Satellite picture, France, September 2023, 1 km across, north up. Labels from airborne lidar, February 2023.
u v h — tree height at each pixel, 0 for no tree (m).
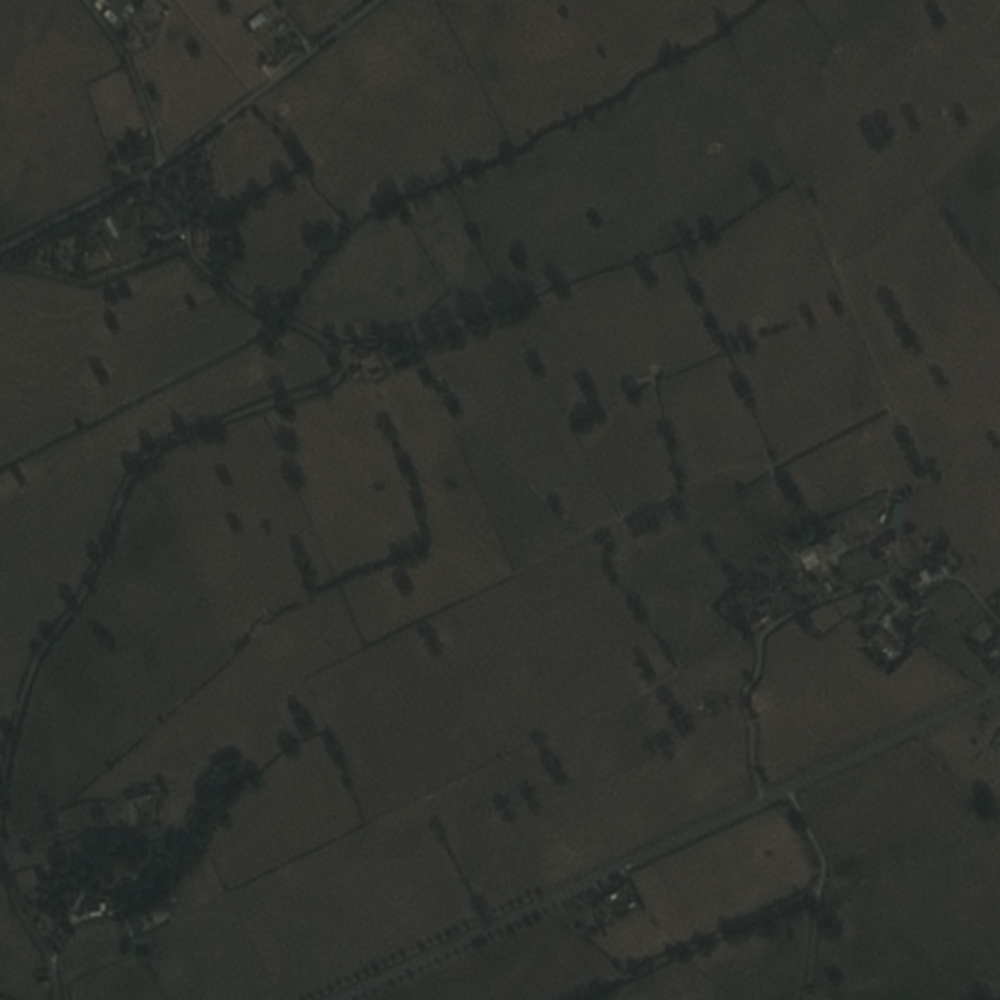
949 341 0
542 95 0
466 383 0
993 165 0
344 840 0
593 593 0
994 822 0
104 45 0
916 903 0
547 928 0
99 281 0
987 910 0
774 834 0
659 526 15
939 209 0
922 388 0
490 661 0
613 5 0
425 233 0
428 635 18
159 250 11
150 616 0
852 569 0
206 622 0
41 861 0
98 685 0
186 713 0
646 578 0
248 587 0
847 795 0
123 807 0
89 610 0
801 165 0
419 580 0
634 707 0
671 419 0
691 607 0
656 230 0
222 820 16
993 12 0
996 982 0
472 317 27
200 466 0
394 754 0
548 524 0
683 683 0
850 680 0
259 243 0
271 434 0
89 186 0
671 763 0
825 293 0
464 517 0
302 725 16
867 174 0
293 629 0
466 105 0
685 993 0
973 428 0
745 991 0
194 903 0
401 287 0
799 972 0
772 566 0
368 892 0
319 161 0
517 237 0
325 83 0
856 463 0
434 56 0
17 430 0
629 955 0
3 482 0
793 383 0
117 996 0
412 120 0
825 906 15
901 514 0
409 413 0
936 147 0
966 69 0
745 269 0
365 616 0
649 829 0
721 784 0
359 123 0
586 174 0
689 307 0
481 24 0
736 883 0
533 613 0
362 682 0
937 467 14
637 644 0
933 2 0
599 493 0
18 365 0
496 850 0
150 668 0
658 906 0
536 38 0
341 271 0
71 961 0
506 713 0
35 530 0
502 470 0
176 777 0
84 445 0
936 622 0
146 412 0
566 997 0
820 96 0
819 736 0
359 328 0
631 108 0
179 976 0
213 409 0
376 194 0
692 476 0
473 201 0
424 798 0
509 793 0
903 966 0
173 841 10
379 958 0
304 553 14
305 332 0
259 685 0
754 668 0
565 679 0
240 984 0
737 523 0
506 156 15
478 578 0
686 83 0
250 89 0
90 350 0
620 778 0
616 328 0
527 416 0
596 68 0
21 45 0
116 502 0
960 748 0
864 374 0
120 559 0
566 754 0
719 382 0
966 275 0
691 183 0
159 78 0
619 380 0
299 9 0
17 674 0
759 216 0
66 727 0
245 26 7
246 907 0
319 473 0
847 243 0
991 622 6
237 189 0
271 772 0
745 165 0
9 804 12
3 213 0
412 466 14
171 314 0
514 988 0
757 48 0
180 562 0
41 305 0
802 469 0
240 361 0
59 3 0
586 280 0
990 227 0
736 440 0
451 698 0
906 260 0
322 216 0
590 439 0
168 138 0
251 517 0
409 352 10
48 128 0
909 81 0
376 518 0
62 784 0
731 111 0
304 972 0
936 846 0
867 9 0
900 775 0
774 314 0
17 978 0
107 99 0
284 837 0
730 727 0
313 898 0
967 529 0
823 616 0
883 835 0
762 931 11
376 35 0
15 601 0
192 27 0
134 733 0
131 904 18
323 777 0
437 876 0
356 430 0
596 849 0
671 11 0
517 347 0
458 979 0
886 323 0
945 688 0
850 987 0
